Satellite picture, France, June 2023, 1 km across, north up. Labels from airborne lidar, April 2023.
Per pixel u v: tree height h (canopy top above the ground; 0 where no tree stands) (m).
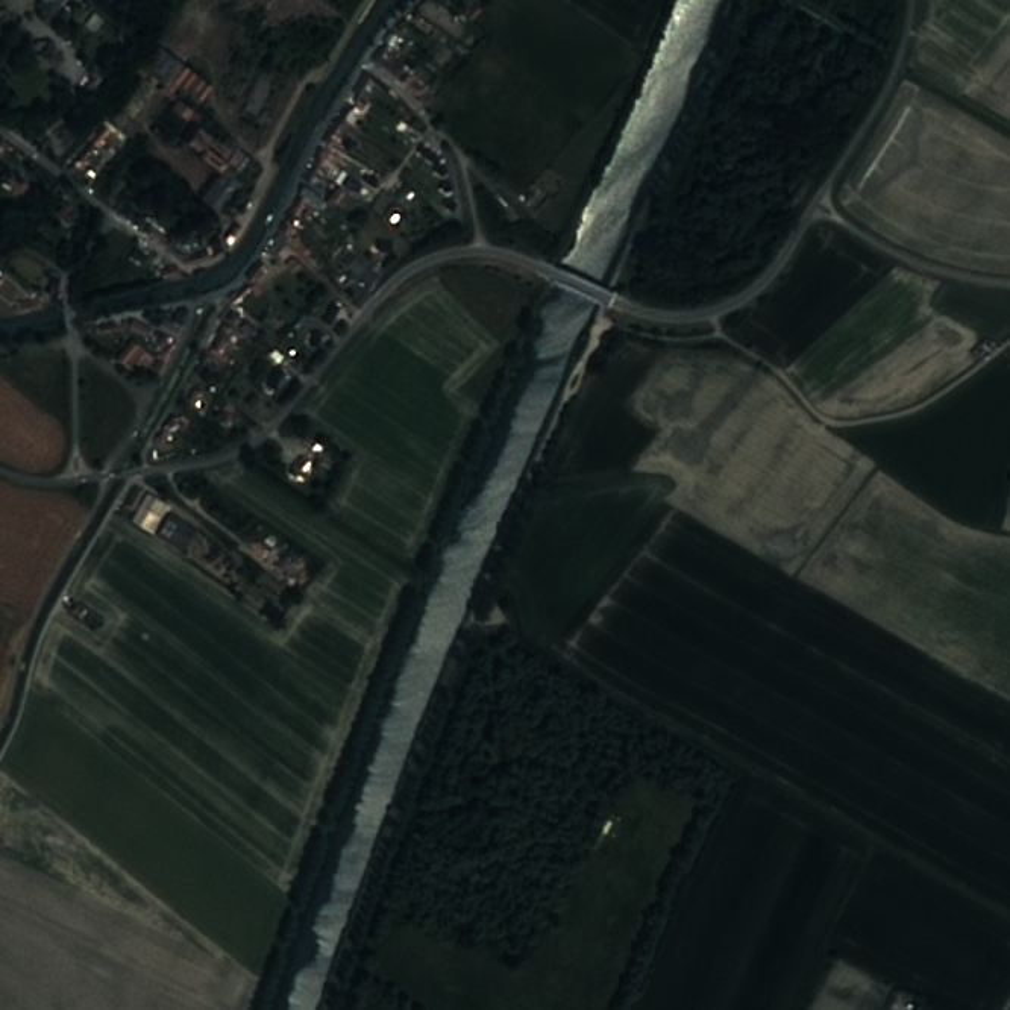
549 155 0
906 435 0
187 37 0
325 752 0
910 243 0
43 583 0
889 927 0
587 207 0
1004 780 0
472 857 18
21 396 0
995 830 0
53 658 0
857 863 0
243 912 0
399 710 0
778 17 15
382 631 0
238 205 10
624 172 0
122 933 0
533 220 6
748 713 0
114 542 0
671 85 0
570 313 0
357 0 0
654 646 0
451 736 15
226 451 0
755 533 0
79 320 12
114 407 0
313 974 0
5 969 0
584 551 0
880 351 0
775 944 0
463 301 0
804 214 0
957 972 0
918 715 0
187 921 0
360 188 0
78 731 0
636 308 0
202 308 0
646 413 0
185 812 0
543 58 0
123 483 0
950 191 0
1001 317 0
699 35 0
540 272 0
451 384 0
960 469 0
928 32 0
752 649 0
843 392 0
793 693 0
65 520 0
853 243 0
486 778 17
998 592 0
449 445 0
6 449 0
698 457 0
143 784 0
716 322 0
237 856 0
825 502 0
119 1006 0
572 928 0
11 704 0
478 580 0
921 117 0
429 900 15
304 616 0
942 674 0
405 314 0
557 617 0
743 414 0
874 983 0
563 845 17
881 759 0
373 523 0
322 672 0
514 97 0
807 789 0
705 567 0
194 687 0
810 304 0
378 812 0
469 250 0
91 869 0
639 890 0
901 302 0
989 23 0
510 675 13
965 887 0
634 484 0
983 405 0
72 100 15
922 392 0
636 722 10
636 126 0
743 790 0
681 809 0
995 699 0
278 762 0
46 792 0
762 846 0
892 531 0
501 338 0
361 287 0
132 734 0
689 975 0
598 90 0
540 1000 0
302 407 0
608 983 0
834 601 0
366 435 0
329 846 0
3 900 0
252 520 0
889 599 0
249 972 0
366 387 0
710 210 20
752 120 9
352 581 0
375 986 13
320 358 9
